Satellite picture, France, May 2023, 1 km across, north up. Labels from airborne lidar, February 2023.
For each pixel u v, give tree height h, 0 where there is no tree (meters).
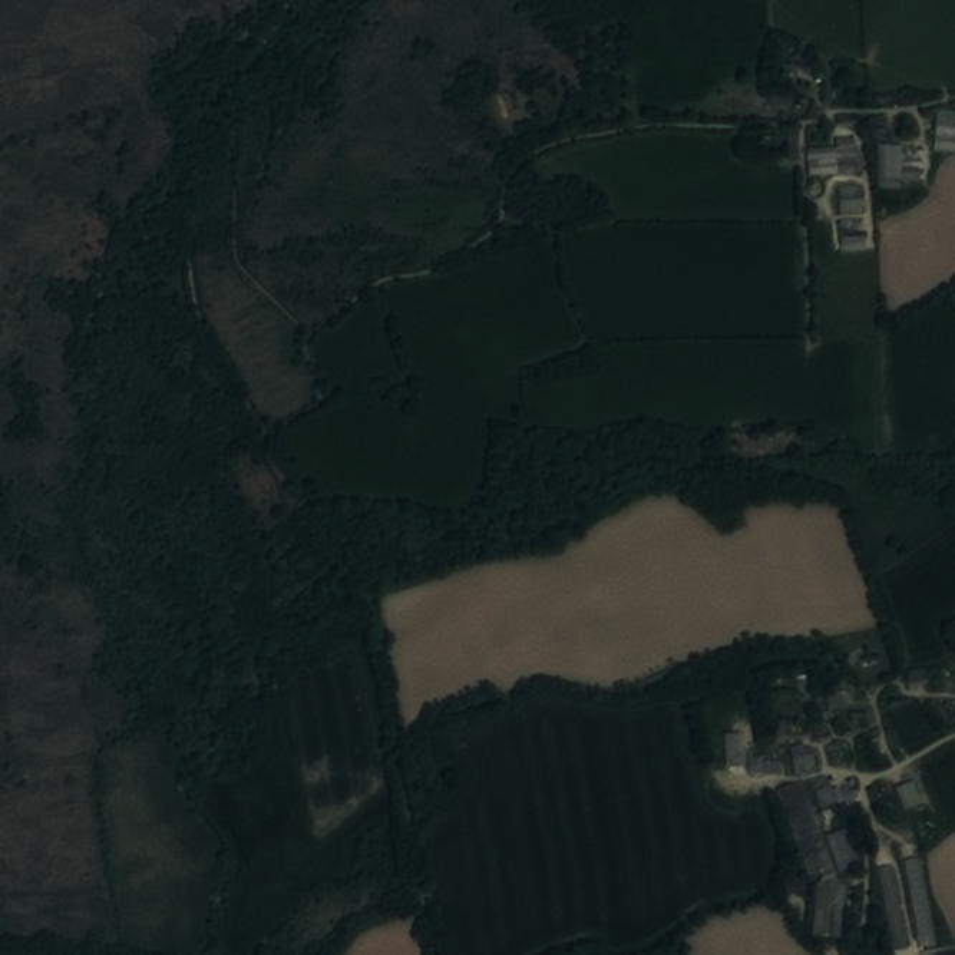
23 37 0
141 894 0
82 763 0
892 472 7
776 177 0
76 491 10
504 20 0
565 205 17
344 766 0
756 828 0
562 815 0
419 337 0
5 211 0
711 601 0
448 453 0
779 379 0
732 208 0
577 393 0
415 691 0
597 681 0
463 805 0
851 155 0
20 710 0
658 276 0
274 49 7
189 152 15
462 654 0
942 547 0
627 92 15
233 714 14
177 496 9
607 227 0
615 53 16
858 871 22
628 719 0
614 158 0
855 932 22
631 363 0
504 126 0
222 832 0
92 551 7
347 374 0
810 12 0
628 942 0
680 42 0
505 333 0
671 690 14
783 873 14
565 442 20
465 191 0
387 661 10
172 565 8
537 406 0
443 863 0
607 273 0
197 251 12
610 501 16
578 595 0
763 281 0
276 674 15
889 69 0
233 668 14
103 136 9
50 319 0
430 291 0
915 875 0
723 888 0
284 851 0
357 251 6
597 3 18
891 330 12
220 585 8
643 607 0
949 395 0
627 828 0
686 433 16
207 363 12
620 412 0
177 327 14
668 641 0
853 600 0
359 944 0
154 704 6
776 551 0
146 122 0
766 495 16
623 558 0
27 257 0
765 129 12
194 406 7
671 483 21
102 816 8
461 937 0
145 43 0
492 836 0
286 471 12
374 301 13
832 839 0
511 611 0
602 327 0
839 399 0
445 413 0
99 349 6
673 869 0
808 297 13
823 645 13
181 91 11
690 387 0
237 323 0
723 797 0
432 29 0
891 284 0
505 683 0
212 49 17
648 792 0
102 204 8
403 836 15
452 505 0
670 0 0
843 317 0
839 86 12
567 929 0
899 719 0
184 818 0
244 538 14
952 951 0
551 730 0
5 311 0
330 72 9
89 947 11
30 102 0
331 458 0
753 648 14
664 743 0
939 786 0
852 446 9
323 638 0
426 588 0
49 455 0
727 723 0
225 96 17
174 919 0
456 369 0
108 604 10
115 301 18
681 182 0
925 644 0
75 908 0
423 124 0
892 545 12
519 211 17
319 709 0
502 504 13
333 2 12
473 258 16
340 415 0
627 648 0
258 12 9
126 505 7
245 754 9
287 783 0
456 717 15
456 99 6
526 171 18
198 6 0
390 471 0
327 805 0
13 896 0
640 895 0
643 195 0
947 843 0
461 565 21
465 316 0
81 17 0
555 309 0
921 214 0
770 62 18
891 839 0
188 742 23
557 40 10
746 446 9
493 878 0
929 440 0
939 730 9
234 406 11
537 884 0
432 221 0
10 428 9
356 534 18
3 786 0
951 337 0
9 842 0
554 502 8
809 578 0
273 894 0
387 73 0
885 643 9
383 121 0
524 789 0
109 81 0
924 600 0
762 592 0
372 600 16
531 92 10
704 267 0
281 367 0
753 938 0
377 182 0
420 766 15
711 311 0
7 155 0
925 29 0
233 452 14
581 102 17
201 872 0
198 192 14
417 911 12
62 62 0
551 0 17
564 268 8
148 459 9
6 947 14
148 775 0
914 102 9
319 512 17
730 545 0
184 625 6
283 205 0
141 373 6
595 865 0
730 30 0
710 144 0
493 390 0
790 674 12
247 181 0
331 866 0
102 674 11
